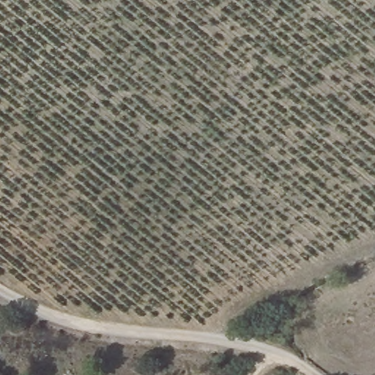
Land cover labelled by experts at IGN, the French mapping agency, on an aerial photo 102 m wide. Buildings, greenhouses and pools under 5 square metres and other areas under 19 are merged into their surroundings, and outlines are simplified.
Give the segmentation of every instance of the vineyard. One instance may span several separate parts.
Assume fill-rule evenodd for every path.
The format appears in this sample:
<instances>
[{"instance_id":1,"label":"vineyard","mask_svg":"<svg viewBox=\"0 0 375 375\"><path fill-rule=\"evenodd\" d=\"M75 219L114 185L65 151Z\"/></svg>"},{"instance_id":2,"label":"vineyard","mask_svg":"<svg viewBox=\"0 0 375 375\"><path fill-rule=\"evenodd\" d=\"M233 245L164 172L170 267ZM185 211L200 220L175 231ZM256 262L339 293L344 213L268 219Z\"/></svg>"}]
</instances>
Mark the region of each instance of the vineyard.
<instances>
[{"instance_id":1,"label":"vineyard","mask_svg":"<svg viewBox=\"0 0 375 375\"><path fill-rule=\"evenodd\" d=\"M368 224L369 229L375 233L375 0L0 0L0 284L19 293L22 299L37 300L38 306L92 321L226 334L227 322L230 319L243 315L249 306L264 299L270 294L284 290L281 287L284 284L283 272L293 277L294 268L305 267L306 261L312 256L324 250L334 249L337 240L344 239L349 242L356 239L365 231L362 226L357 226L357 221Z\"/></svg>"}]
</instances>

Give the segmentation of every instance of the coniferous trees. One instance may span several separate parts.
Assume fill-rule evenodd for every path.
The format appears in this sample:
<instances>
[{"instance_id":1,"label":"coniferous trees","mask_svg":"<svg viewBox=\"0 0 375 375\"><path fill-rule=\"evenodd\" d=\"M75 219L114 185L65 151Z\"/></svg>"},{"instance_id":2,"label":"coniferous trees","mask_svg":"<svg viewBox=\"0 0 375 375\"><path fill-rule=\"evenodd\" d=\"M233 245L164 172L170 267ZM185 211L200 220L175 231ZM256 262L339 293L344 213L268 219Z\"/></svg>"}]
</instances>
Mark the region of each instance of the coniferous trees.
<instances>
[{"instance_id":1,"label":"coniferous trees","mask_svg":"<svg viewBox=\"0 0 375 375\"><path fill-rule=\"evenodd\" d=\"M264 360L262 353L234 353L233 349L227 349L226 352L212 353L208 356L208 362L211 362L209 371L214 375L256 375L256 363Z\"/></svg>"},{"instance_id":2,"label":"coniferous trees","mask_svg":"<svg viewBox=\"0 0 375 375\"><path fill-rule=\"evenodd\" d=\"M160 369L160 362L152 360L145 353L142 354L145 362L142 375L155 375Z\"/></svg>"},{"instance_id":3,"label":"coniferous trees","mask_svg":"<svg viewBox=\"0 0 375 375\"><path fill-rule=\"evenodd\" d=\"M7 330L22 330L21 313L18 311L13 311L9 303L0 305L0 334L7 335Z\"/></svg>"},{"instance_id":4,"label":"coniferous trees","mask_svg":"<svg viewBox=\"0 0 375 375\"><path fill-rule=\"evenodd\" d=\"M338 289L359 280L365 275L365 270L356 262L354 265L337 265L328 278L313 278L313 289L325 286Z\"/></svg>"},{"instance_id":5,"label":"coniferous trees","mask_svg":"<svg viewBox=\"0 0 375 375\"><path fill-rule=\"evenodd\" d=\"M292 319L293 316L284 311L284 306L265 303L264 299L249 306L243 315L230 319L227 322L226 334L229 340L240 338L270 344L280 334L281 327L286 324L287 319Z\"/></svg>"}]
</instances>

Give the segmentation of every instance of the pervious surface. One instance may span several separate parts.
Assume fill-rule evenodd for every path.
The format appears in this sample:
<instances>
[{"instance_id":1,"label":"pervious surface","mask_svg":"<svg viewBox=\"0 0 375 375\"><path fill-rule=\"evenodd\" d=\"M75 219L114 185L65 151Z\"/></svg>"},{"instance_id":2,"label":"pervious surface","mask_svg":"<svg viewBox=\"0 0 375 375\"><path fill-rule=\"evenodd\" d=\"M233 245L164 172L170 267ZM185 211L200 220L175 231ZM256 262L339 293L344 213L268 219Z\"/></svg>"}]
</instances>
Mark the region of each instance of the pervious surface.
<instances>
[{"instance_id":1,"label":"pervious surface","mask_svg":"<svg viewBox=\"0 0 375 375\"><path fill-rule=\"evenodd\" d=\"M256 363L256 375L316 375L318 369L313 368L308 362L290 353L289 350L270 344L240 338L229 340L226 334L92 321L38 306L37 300L22 299L19 293L0 284L0 305L9 303L13 311L18 311L23 305L26 311L37 313L38 318L60 324L63 328L103 334L103 343L171 346L173 349L193 349L212 353L226 352L227 349L233 349L234 353L262 353L264 360Z\"/></svg>"}]
</instances>

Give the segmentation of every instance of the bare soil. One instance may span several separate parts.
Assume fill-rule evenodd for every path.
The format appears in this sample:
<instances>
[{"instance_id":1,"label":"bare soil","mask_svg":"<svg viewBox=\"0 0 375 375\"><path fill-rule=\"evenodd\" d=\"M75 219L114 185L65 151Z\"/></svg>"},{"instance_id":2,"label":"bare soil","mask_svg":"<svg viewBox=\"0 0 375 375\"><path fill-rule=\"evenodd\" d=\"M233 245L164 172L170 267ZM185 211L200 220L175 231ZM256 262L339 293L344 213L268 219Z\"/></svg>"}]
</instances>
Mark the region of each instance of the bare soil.
<instances>
[{"instance_id":1,"label":"bare soil","mask_svg":"<svg viewBox=\"0 0 375 375\"><path fill-rule=\"evenodd\" d=\"M211 362L208 362L208 356L212 353L193 349L173 349L171 346L103 343L103 334L63 328L60 324L38 318L37 313L26 311L23 305L18 311L21 313L22 330L7 330L7 335L0 334L0 375L142 375L145 362L142 354L145 353L152 360L160 362L160 369L155 375L214 375L209 371Z\"/></svg>"}]
</instances>

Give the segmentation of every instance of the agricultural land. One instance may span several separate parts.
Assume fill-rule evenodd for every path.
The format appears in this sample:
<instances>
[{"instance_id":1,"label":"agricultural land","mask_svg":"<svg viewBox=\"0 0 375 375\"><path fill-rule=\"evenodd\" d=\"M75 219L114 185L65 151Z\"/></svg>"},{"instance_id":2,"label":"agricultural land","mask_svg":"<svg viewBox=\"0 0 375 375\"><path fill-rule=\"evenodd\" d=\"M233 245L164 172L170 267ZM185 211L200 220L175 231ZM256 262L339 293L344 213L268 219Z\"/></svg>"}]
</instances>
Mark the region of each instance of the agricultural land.
<instances>
[{"instance_id":1,"label":"agricultural land","mask_svg":"<svg viewBox=\"0 0 375 375\"><path fill-rule=\"evenodd\" d=\"M362 226L365 231L356 239L349 242L344 239L337 240L334 249L324 250L312 256L306 261L305 267L294 268L293 277L283 272L284 284L281 287L284 290L270 294L264 299L265 303L284 306L284 311L293 316L292 319L287 319L286 324L281 327L280 334L270 344L289 350L290 353L308 362L313 368L318 369L316 375L375 375L375 233L369 229L368 224L357 221L357 226ZM354 265L356 262L365 270L365 275L359 280L338 289L325 286L313 289L313 278L328 278L337 265Z\"/></svg>"}]
</instances>

